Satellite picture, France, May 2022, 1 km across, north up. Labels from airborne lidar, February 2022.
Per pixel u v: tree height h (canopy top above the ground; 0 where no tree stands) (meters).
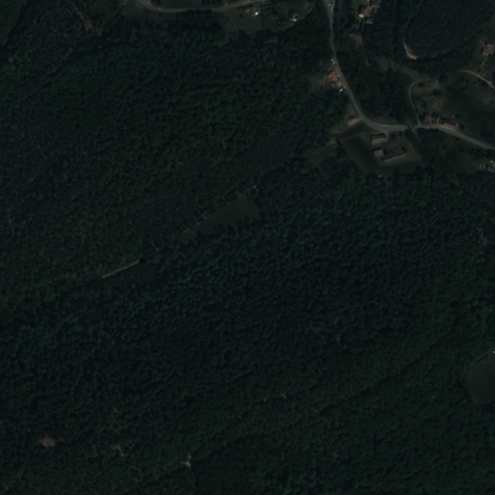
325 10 16
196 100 27
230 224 0
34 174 27
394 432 31
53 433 30
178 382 24
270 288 35
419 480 31
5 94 24
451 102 0
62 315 37
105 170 26
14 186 25
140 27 28
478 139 0
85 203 23
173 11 0
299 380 25
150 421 26
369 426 30
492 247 25
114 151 29
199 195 22
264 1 0
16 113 32
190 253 28
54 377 36
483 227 35
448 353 32
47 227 26
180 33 29
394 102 10
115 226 29
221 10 0
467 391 14
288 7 0
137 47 24
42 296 35
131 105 26
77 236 19
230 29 0
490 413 30
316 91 0
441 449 29
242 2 0
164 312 31
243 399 27
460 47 22
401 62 20
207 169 20
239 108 21
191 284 29
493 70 0
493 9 23
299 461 35
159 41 28
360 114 0
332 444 33
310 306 34
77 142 27
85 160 16
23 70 28
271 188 23
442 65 27
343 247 30
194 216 36
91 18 27
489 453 30
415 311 30
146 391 25
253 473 42
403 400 33
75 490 25
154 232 23
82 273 27
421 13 23
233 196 31
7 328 12
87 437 27
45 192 10
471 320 32
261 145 26
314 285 30
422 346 28
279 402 23
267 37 27
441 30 26
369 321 34
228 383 27
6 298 29
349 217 30
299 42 27
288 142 19
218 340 30
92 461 27
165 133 18
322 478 37
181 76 28
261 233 18
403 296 28
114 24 8
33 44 25
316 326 29
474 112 0
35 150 28
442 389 30
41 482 24
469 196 12
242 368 26
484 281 35
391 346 25
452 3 19
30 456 24
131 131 29
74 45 11
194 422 30
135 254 6
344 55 16
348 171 26
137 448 26
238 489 37
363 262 30
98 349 33
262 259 35
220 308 15
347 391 30
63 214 25
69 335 35
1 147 27
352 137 0
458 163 0
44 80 21
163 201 26
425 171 23
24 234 25
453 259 25
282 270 25
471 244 25
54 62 28
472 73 0
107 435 21
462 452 27
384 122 0
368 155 0
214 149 20
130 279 7
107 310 33
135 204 23
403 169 0
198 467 31
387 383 32
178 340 27
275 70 29
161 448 32
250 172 24
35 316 27
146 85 29
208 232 0
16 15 0
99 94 26
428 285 28
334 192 30
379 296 31
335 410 26
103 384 33
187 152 20
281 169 25
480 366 0
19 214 12
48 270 33
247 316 28
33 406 6
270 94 27
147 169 26
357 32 8
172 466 23
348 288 34
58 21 30
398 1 10
